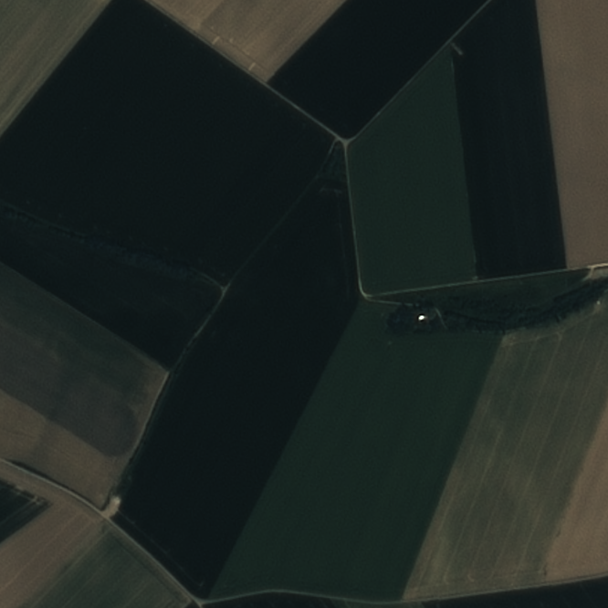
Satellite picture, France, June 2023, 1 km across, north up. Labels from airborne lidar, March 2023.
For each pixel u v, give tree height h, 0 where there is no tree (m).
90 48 0
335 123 0
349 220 0
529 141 0
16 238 0
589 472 0
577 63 0
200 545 0
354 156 0
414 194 0
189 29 0
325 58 0
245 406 0
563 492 0
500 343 0
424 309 18
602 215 0
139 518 0
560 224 0
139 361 0
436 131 0
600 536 0
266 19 0
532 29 0
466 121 0
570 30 0
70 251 0
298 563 0
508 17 0
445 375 0
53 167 0
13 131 0
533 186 0
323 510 0
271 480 0
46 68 0
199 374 0
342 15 0
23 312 0
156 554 0
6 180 0
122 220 0
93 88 0
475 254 0
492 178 0
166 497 0
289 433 0
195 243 0
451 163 0
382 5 0
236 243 0
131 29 0
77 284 0
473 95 0
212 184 0
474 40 0
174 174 0
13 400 0
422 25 0
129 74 0
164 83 0
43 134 0
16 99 0
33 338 0
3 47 0
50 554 0
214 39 0
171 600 0
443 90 0
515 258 0
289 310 0
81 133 0
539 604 0
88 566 0
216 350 0
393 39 0
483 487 0
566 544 0
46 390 0
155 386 0
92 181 0
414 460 0
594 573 0
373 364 0
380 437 0
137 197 0
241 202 0
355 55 0
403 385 0
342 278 0
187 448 0
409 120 0
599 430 0
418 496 0
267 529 0
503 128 0
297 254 0
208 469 0
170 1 0
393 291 0
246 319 0
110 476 0
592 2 0
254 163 0
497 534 0
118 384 0
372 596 0
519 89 0
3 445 0
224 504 0
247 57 0
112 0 0
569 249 0
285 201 0
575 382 0
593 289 8
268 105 0
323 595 0
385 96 0
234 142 0
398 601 0
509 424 0
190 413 0
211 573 0
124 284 0
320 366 0
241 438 0
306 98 0
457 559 0
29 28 0
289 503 0
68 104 0
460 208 0
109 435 0
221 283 0
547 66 0
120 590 0
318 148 0
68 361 0
